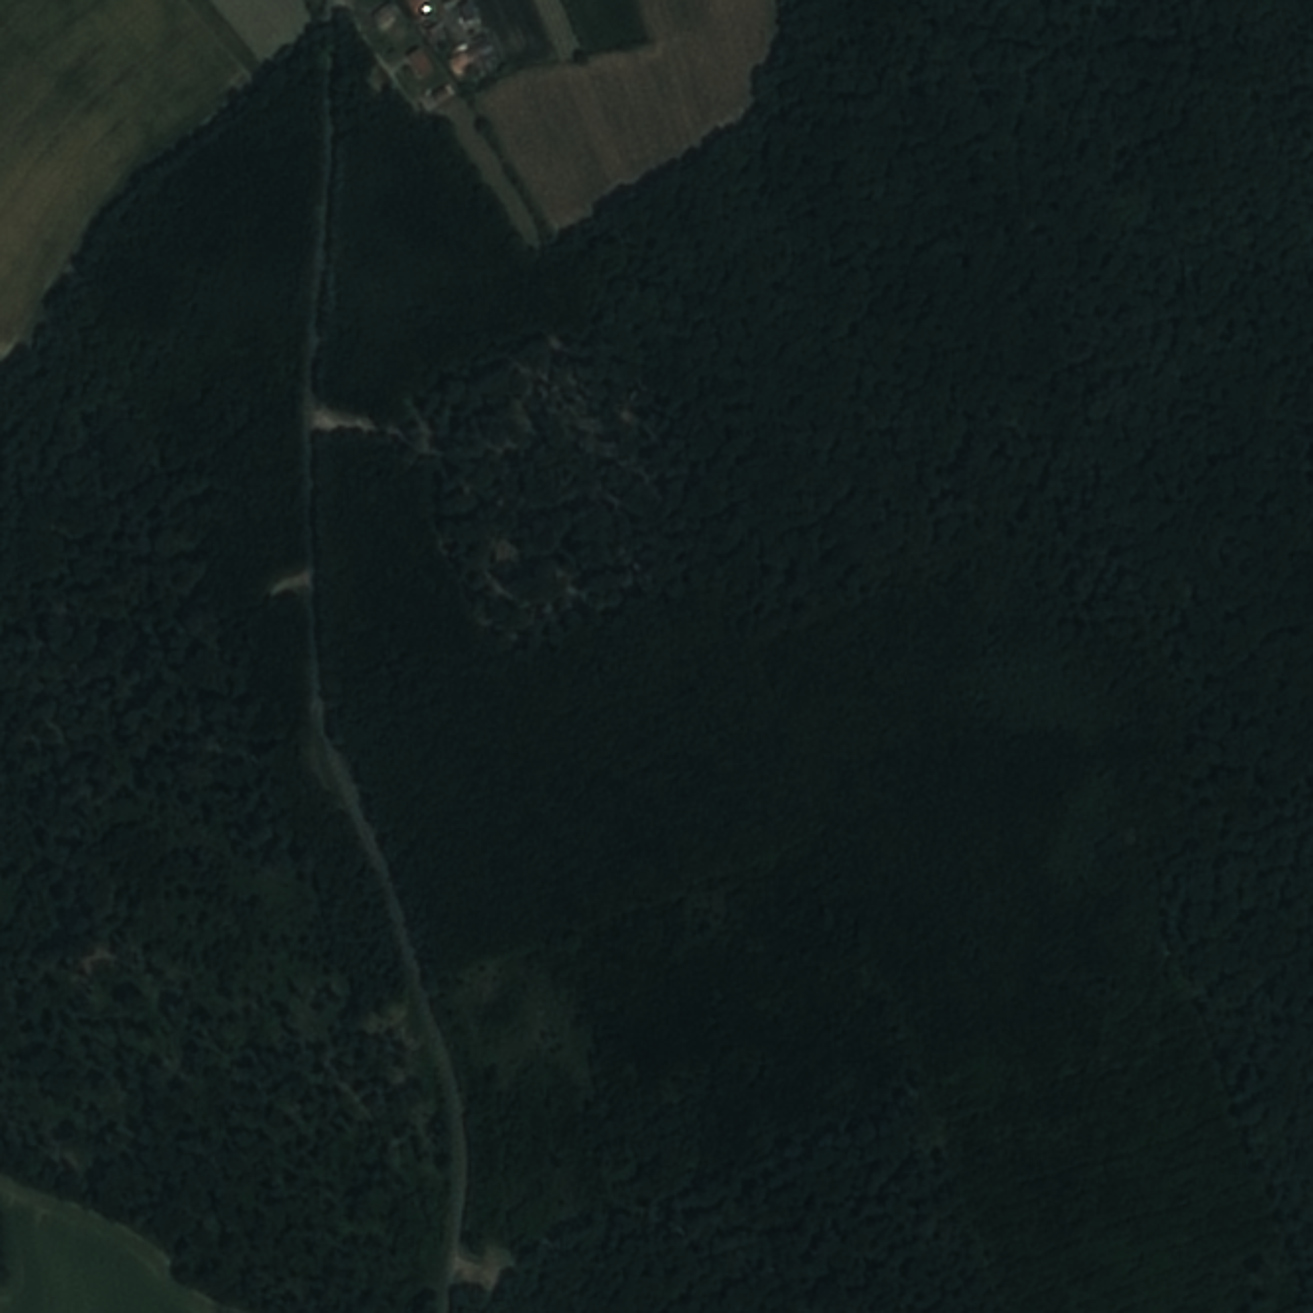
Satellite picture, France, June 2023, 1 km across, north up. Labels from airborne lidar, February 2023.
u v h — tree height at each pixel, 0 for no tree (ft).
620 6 0
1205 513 89
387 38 0
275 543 52
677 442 94
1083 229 83
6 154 0
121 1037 95
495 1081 37
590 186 0
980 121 100
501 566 102
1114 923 37
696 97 0
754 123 47
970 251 100
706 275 80
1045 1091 21
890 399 78
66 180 0
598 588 104
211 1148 87
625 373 91
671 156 0
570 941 97
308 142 46
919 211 98
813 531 95
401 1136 39
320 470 46
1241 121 81
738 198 67
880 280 90
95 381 80
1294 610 108
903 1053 40
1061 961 55
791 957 21
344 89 55
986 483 113
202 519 66
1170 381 76
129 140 0
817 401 82
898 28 83
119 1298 0
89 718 99
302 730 57
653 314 73
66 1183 78
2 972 61
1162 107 89
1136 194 61
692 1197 68
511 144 0
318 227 47
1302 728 102
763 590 99
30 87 0
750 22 0
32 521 99
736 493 88
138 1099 85
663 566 100
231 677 96
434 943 78
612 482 90
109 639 91
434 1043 0
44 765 95
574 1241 73
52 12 0
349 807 0
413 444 96
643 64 0
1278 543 102
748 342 88
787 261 87
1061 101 86
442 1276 0
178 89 0
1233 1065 83
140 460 71
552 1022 0
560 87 0
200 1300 0
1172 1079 22
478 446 97
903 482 106
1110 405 89
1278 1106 87
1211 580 91
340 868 68
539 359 90
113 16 0
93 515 98
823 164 90
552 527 115
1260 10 79
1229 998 93
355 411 38
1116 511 97
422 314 46
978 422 98
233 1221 78
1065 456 94
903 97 97
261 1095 81
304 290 55
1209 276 73
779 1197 93
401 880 66
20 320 0
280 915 0
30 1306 0
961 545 108
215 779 104
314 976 0
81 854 92
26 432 81
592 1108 38
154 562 93
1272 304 92
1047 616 42
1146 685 53
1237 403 88
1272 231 84
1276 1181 59
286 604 47
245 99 58
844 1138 87
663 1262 78
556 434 106
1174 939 81
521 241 48
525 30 0
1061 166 91
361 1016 91
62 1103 87
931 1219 97
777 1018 21
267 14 0
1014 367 103
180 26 0
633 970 33
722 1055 24
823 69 88
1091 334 100
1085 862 66
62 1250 0
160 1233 61
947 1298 75
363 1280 70
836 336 89
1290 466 93
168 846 48
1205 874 83
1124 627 89
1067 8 86
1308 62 59
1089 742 49
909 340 94
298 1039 90
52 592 91
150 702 107
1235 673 100
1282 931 79
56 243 0
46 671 96
